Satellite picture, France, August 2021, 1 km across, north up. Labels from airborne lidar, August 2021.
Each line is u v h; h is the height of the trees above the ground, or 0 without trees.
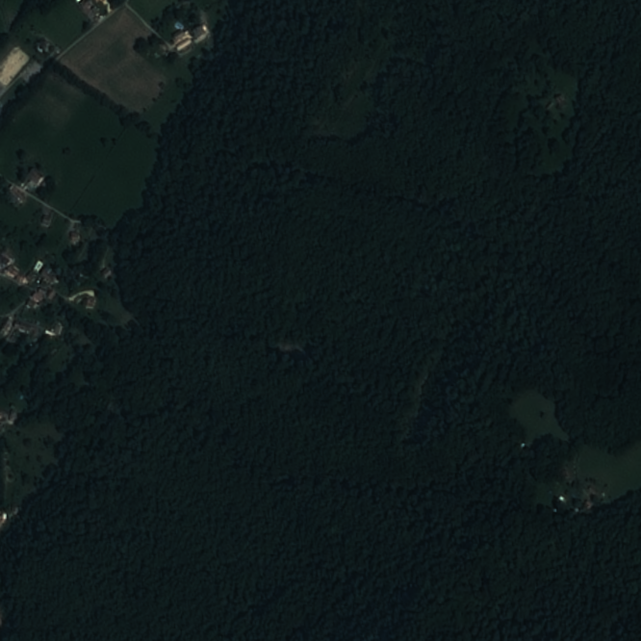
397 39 10
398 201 26
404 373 24
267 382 27
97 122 0
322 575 30
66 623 20
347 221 23
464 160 24
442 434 24
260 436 22
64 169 0
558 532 18
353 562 27
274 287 26
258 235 22
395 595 23
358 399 30
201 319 32
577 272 28
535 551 20
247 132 26
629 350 28
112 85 0
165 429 23
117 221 0
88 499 24
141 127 14
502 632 31
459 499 33
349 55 26
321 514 25
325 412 19
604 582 20
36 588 16
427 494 38
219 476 21
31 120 0
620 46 28
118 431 24
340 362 27
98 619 19
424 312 22
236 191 25
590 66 19
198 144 33
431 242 23
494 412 21
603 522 21
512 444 19
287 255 24
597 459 0
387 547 27
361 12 15
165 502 21
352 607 26
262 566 26
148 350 32
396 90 21
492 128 19
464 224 25
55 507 21
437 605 23
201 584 25
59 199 0
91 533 28
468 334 28
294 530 26
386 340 25
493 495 36
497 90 17
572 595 27
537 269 30
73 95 0
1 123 21
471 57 23
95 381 26
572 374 27
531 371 27
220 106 32
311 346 8
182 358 23
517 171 19
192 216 28
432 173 22
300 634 21
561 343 29
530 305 22
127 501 25
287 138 22
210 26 0
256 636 24
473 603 19
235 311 22
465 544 14
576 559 25
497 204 18
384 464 24
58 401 14
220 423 34
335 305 26
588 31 21
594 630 25
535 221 22
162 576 25
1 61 0
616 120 18
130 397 19
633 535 22
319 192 28
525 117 9
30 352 15
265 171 34
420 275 25
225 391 20
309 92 26
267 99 24
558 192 19
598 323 27
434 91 22
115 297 10
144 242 29
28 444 12
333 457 20
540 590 21
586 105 19
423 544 23
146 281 25
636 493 12
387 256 26
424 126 23
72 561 18
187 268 23
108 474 19
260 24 27
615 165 31
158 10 0
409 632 17
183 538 23
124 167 0
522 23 19
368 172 26
